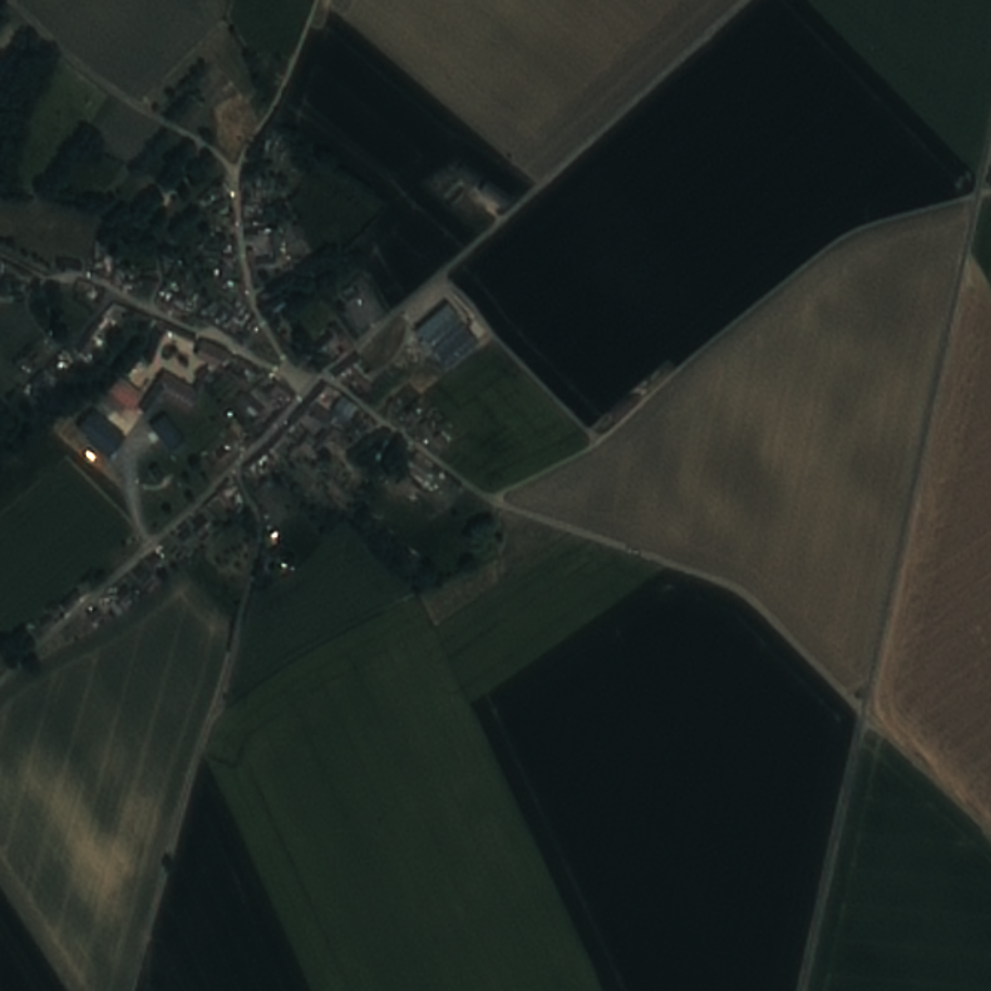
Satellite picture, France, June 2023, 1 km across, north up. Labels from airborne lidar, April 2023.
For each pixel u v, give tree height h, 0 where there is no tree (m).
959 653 0
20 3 0
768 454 0
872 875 0
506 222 0
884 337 0
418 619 0
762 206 0
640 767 0
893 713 0
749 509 0
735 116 0
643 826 0
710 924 0
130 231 14
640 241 0
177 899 0
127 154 0
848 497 0
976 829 0
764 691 0
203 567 0
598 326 0
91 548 0
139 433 0
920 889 0
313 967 0
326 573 0
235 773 0
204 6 0
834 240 0
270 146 0
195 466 11
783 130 0
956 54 0
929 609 0
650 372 0
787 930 0
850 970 0
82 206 13
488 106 0
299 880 0
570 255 0
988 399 0
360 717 0
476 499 0
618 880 0
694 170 0
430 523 0
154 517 0
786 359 0
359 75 0
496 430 0
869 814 0
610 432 0
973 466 0
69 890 0
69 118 0
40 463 0
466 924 0
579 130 0
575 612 0
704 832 0
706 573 0
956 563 0
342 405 0
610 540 0
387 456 10
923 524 0
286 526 0
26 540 0
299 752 0
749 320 0
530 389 0
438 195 0
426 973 0
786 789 0
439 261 0
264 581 8
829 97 0
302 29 0
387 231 0
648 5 0
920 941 0
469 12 0
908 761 0
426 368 0
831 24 0
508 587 0
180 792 0
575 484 0
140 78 0
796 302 0
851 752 0
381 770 0
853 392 0
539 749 0
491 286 0
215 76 0
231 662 0
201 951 0
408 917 0
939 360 0
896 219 0
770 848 0
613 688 0
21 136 22
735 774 0
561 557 0
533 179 0
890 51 0
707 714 0
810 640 0
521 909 0
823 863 0
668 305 0
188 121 0
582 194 0
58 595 0
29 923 0
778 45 0
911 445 0
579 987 0
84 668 0
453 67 0
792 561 0
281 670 0
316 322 0
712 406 0
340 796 0
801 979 0
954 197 0
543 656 0
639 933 0
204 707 0
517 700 0
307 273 13
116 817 0
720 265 0
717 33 0
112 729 0
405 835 0
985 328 0
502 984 0
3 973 0
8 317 0
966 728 0
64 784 0
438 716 0
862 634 0
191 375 0
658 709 0
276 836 0
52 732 0
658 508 0
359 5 0
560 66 0
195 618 0
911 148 0
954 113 0
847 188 0
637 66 0
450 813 0
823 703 0
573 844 0
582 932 0
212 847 0
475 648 0
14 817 0
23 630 10
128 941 0
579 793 0
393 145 0
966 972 0
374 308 0
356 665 0
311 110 0
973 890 0
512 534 0
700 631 0
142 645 0
